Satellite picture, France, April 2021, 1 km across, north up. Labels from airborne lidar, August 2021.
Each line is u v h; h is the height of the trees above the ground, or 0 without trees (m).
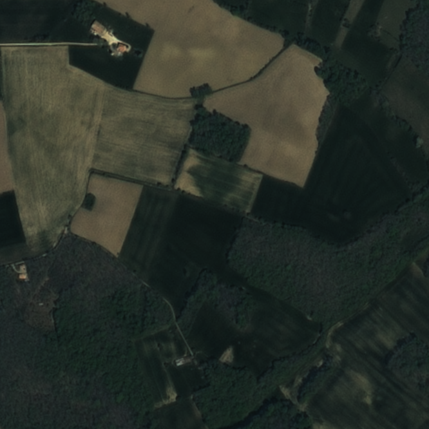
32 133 0
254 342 0
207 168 0
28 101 0
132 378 22
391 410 0
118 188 0
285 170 0
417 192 7
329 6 0
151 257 0
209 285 24
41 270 15
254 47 0
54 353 22
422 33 21
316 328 0
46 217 0
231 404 21
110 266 16
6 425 16
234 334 0
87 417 13
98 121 0
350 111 0
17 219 0
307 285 16
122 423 19
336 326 0
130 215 0
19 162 0
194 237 0
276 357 0
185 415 0
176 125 0
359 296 23
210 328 0
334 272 18
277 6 0
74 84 0
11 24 0
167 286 0
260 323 0
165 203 0
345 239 0
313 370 0
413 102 0
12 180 0
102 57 0
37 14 0
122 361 27
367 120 0
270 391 17
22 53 0
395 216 10
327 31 0
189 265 0
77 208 0
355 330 0
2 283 19
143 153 0
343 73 21
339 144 0
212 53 0
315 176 0
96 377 23
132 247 0
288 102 0
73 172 0
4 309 15
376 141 0
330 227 0
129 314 14
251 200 0
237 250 16
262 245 10
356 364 0
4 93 0
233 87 0
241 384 22
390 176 0
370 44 0
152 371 0
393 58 0
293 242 13
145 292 14
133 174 0
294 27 0
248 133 18
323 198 0
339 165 0
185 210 0
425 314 0
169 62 0
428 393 16
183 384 0
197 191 0
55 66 0
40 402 13
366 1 0
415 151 0
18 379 13
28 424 20
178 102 0
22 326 16
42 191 0
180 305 0
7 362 14
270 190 0
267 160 0
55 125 0
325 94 0
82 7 14
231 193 0
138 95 0
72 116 0
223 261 0
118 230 0
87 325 21
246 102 0
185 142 0
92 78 0
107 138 0
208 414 16
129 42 0
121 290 17
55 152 0
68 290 11
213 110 0
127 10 0
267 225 9
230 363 0
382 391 0
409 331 0
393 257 20
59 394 14
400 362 22
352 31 0
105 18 0
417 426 0
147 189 0
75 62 0
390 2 0
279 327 0
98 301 19
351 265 22
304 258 17
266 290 11
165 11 0
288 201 0
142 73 0
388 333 0
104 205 0
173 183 9
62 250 16
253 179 0
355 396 0
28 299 16
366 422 0
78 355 24
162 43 0
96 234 0
